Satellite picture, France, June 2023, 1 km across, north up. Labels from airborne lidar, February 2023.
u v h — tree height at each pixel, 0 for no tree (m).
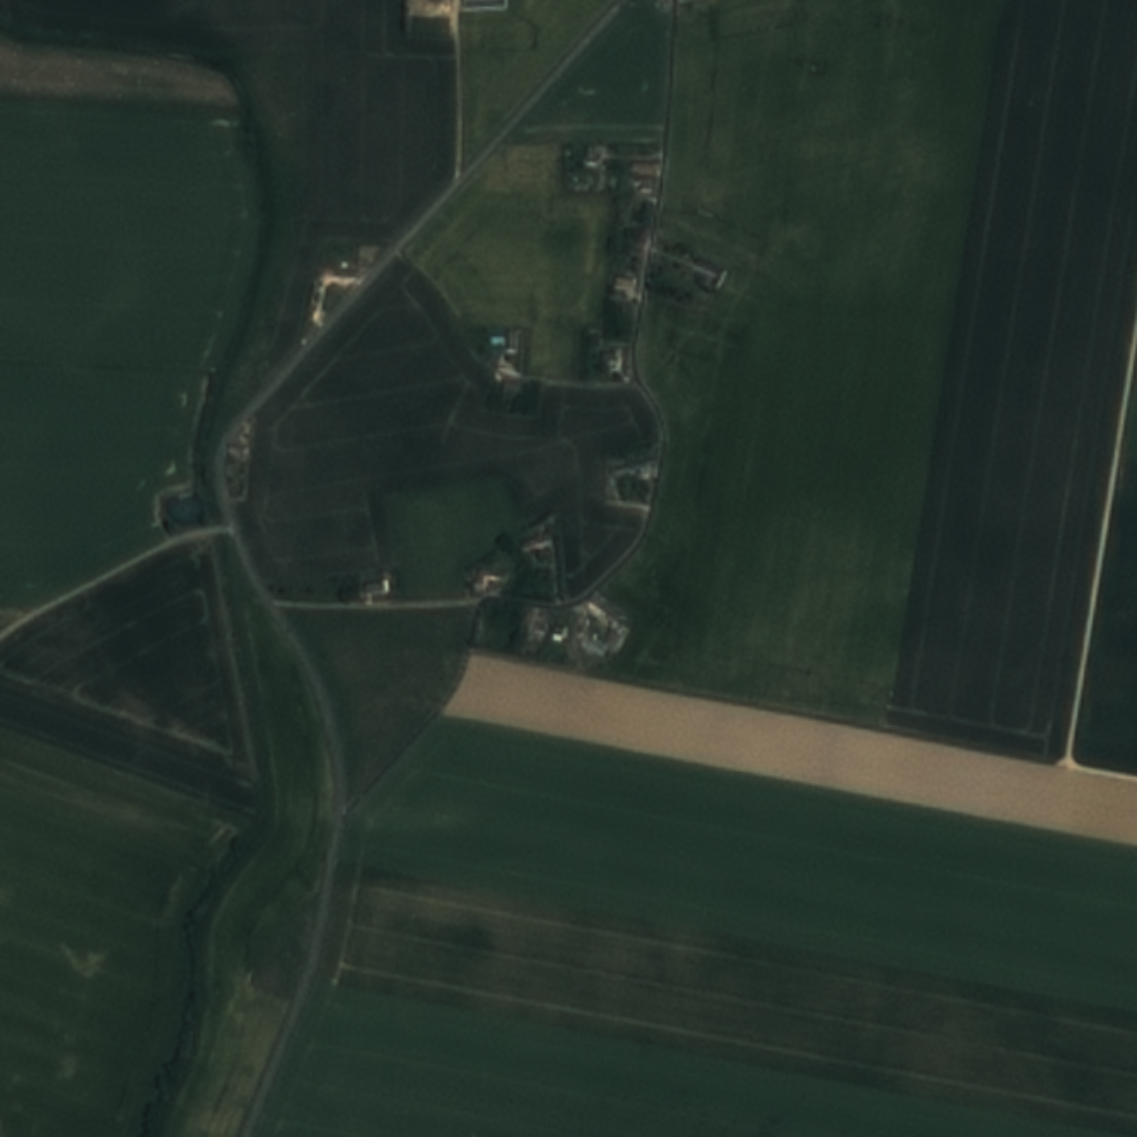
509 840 0
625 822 0
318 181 0
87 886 0
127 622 0
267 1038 0
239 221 0
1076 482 0
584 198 0
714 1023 0
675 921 0
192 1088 0
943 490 0
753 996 0
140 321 0
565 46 0
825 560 0
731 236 0
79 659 0
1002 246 0
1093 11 0
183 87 0
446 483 0
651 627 0
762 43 0
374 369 0
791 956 0
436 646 0
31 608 0
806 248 0
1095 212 0
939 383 0
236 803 0
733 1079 0
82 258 0
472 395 0
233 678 0
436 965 0
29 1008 0
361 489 0
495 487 0
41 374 0
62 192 0
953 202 0
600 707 0
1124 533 0
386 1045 0
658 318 0
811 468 0
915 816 0
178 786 0
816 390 0
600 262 0
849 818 0
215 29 0
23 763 0
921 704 0
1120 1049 0
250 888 0
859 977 0
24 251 0
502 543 12
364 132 0
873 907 0
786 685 0
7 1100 0
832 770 0
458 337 0
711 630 0
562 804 0
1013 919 0
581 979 0
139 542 0
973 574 0
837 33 0
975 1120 0
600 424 0
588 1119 0
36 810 0
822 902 0
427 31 0
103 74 0
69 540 0
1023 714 0
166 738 0
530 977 0
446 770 0
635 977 0
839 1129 0
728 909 0
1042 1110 0
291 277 0
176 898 0
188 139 0
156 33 0
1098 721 0
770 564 0
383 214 0
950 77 0
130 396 0
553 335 0
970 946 0
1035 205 0
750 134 0
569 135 0
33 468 0
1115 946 0
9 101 0
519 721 0
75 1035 0
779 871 0
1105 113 0
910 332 0
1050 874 0
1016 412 0
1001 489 0
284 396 0
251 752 0
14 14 0
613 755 0
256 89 0
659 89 0
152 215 0
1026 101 0
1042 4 0
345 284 0
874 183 0
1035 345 0
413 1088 0
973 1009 0
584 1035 0
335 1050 0
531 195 0
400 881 0
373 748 0
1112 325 0
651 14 0
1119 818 0
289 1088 0
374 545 0
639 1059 0
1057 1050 0
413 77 0
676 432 0
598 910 0
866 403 0
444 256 0
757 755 0
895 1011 0
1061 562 0
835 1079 0
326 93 0
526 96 0
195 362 0
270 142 0
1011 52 0
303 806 0
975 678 0
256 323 0
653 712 0
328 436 0
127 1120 0
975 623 0
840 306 0
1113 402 0
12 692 0
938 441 0
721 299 0
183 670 0
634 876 0
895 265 0
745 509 0
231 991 0
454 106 0
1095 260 0
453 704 0
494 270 0
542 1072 0
